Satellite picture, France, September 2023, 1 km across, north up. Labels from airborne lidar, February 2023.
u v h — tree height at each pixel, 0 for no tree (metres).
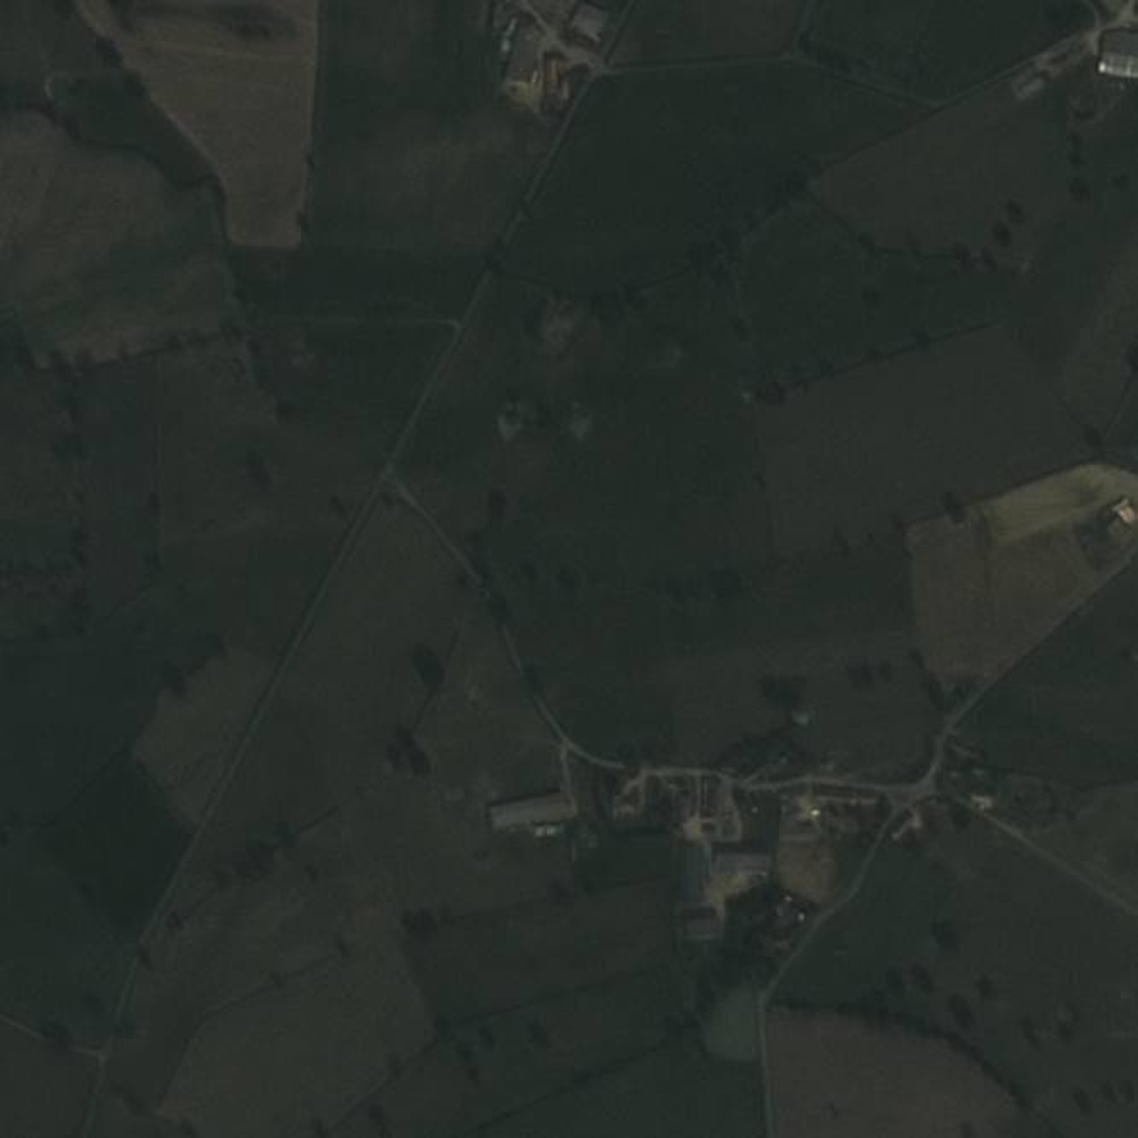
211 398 0
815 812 0
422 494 0
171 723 0
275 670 0
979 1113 0
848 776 0
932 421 0
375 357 0
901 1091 0
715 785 0
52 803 0
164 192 0
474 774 0
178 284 0
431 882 0
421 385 0
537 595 0
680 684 0
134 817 0
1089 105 0
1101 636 0
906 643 0
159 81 0
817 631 0
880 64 0
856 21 0
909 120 0
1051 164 0
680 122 0
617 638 0
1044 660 0
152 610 0
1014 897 0
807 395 0
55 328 0
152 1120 0
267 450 0
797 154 0
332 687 0
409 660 0
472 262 0
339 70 0
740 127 0
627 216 0
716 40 0
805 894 0
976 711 0
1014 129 0
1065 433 0
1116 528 0
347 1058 0
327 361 0
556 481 0
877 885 0
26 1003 0
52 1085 0
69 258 0
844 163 0
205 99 0
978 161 0
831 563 0
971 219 0
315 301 0
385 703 0
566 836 0
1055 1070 0
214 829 0
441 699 0
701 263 16
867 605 0
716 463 0
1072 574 0
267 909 0
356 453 0
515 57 0
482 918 0
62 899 0
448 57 0
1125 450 0
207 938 0
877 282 0
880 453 0
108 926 0
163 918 0
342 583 0
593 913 0
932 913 0
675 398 0
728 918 0
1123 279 0
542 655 0
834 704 0
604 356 0
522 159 0
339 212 0
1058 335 0
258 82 0
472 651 0
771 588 0
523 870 0
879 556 0
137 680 0
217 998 0
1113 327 0
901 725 0
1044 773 0
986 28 0
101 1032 0
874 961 0
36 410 0
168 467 0
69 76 0
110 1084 0
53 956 0
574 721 0
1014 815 0
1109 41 0
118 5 12
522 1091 0
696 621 0
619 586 0
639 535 0
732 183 0
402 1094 0
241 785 0
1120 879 0
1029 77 0
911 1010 0
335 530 0
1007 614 0
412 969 0
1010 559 0
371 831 0
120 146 0
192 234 0
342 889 0
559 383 0
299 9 0
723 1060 0
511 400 11
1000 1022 0
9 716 0
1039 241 0
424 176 0
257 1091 0
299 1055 0
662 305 0
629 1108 0
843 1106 0
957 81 0
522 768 0
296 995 0
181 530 0
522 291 0
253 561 0
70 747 0
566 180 0
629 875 0
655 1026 0
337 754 0
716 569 0
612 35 0
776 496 0
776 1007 0
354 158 0
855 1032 0
